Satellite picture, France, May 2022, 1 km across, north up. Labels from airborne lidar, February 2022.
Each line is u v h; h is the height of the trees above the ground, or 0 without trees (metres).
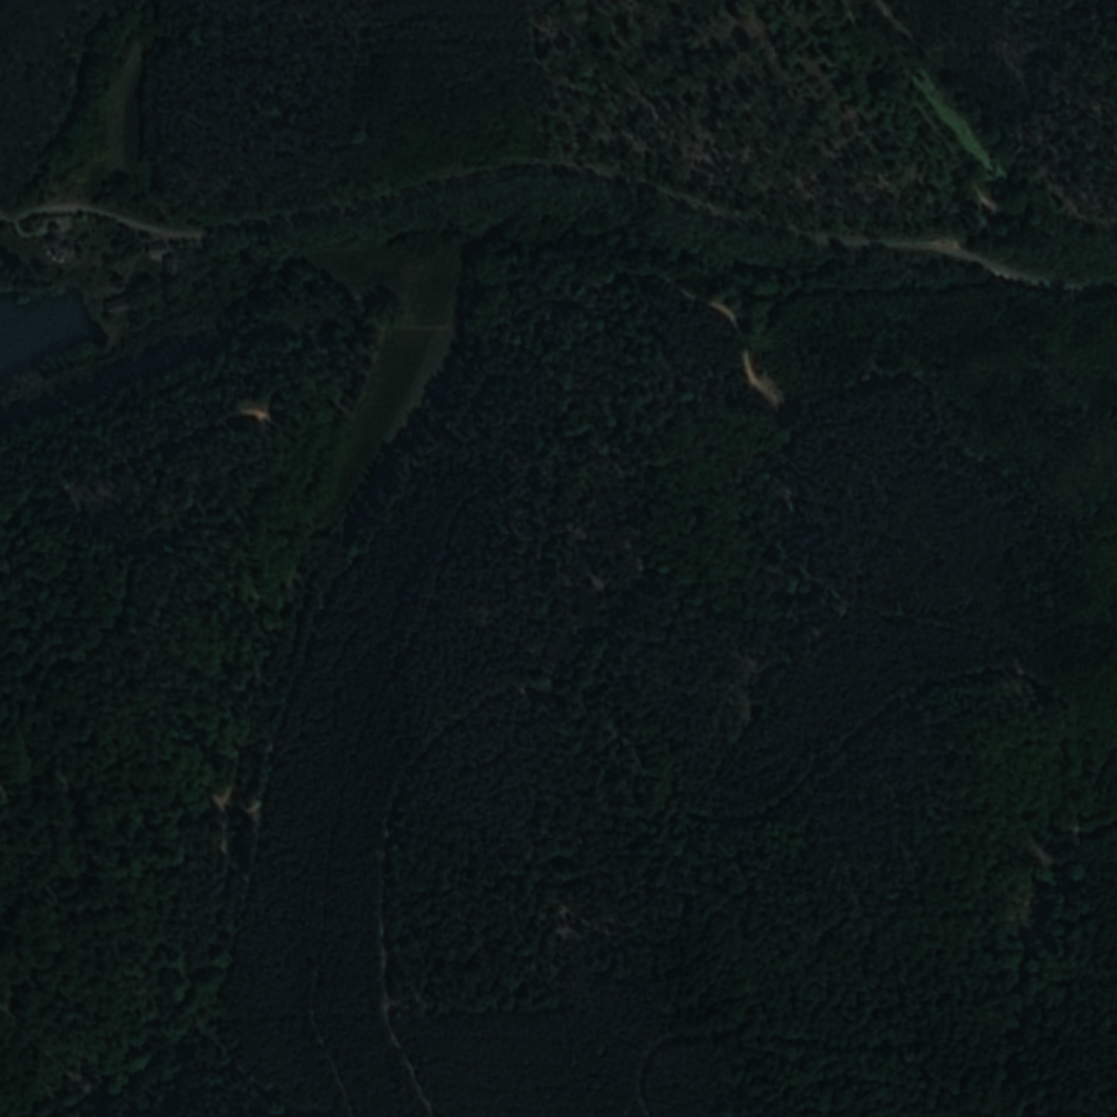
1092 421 14
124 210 0
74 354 21
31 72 24
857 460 28
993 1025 35
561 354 29
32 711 34
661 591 36
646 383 26
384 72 11
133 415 25
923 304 14
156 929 28
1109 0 16
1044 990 40
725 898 22
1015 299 15
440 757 21
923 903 29
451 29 15
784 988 28
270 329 0
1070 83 27
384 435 0
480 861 23
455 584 22
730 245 27
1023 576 12
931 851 29
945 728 25
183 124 24
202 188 20
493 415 40
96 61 26
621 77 26
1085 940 27
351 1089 11
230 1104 27
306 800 17
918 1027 27
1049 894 41
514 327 28
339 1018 13
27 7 20
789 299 18
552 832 28
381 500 38
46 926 24
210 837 24
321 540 16
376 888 10
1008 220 18
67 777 30
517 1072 16
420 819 18
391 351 0
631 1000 18
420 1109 13
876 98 26
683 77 25
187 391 28
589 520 10
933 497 21
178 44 24
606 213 26
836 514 28
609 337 30
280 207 21
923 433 28
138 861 31
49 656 22
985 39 13
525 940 28
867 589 22
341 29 24
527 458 30
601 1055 15
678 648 32
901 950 27
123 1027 30
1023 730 23
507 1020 17
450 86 10
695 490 30
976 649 14
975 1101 32
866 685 16
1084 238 27
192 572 24
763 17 26
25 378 23
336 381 29
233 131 23
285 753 14
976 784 26
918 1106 27
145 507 26
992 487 24
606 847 27
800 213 24
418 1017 16
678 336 13
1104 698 15
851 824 22
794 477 29
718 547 29
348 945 15
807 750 20
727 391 13
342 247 23
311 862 16
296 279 22
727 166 26
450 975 30
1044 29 12
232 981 13
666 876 28
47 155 25
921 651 16
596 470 30
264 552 27
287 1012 13
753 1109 22
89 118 16
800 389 13
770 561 41
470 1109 17
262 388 25
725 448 22
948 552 20
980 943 31
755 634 35
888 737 24
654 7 25
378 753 14
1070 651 13
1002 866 32
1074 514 13
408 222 24
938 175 26
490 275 26
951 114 0
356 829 12
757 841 26
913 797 19
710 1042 10
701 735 32
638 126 28
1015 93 18
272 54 23
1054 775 22
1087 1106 29
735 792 20
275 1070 13
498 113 13
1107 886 16
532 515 31
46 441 28
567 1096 18
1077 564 15
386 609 12
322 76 25
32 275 16
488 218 20
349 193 21
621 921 24
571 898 26
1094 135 27
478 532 13
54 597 32
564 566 27
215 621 35
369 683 16
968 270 20
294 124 10
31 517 30
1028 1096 34
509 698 24
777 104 26
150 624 26
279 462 30
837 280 26
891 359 15
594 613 13
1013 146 17
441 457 9
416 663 25
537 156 12
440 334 0
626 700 34
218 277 19
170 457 30
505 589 23
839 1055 30
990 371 13
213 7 18
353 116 12
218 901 33
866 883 22
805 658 26
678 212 31
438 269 0
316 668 16
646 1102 15
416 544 11
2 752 33
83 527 32
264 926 15
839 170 19
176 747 29
